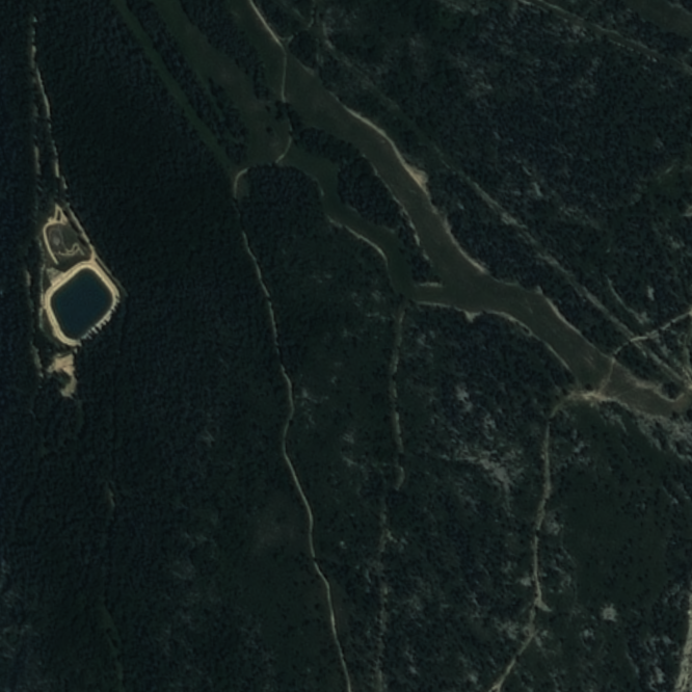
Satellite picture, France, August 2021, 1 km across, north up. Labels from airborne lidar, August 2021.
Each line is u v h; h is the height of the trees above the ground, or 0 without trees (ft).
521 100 18
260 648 22
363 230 0
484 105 17
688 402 0
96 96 49
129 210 55
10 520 47
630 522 0
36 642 21
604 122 26
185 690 21
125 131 49
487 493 0
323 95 0
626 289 26
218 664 33
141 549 20
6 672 19
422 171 0
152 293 36
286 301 17
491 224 25
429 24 37
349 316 24
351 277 20
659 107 21
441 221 0
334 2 25
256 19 0
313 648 0
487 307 0
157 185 24
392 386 0
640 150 25
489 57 20
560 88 17
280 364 32
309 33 28
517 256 26
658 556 0
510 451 0
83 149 51
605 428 0
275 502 0
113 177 49
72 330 0
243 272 43
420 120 28
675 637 22
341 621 0
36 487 44
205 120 67
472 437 19
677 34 24
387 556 24
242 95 0
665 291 23
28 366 29
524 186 20
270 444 23
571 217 0
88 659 30
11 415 30
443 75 34
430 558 31
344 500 0
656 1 0
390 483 0
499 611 22
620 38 0
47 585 36
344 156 19
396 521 23
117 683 33
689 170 0
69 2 59
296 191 49
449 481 0
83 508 33
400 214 23
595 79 22
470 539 22
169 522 32
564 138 18
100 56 38
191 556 19
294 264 32
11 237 37
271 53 0
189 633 21
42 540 38
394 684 30
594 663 0
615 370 0
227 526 25
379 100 18
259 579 0
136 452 47
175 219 27
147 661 22
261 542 0
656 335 0
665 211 0
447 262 0
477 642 25
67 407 66
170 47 26
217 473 39
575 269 25
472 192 27
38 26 33
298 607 0
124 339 41
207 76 0
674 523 26
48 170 48
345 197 43
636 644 26
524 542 23
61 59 45
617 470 21
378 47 26
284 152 0
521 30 27
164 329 25
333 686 0
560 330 0
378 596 30
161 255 29
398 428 0
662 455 0
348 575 40
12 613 20
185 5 47
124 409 51
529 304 0
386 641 24
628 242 22
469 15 33
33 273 37
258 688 26
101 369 56
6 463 18
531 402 22
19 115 33
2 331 49
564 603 0
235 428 24
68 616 36
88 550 61
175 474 21
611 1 21
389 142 0
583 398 0
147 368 37
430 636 29
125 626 28
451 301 0
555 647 0
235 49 50
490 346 23
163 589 27
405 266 0
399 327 0
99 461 28
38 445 39
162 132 48
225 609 31
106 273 0
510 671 0
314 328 28
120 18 42
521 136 24
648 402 0
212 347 55
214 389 34
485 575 18
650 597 0
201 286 59
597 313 27
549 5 0
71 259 0
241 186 0
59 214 0
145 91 61
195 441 38
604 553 0
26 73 39
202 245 23
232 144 64
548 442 0
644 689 25
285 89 0
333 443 0
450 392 19
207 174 29
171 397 34
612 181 21
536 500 0
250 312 35
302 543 0
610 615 0
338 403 0
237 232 27
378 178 35
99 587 59
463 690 19
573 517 0
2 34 39
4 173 49
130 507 31
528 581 0
